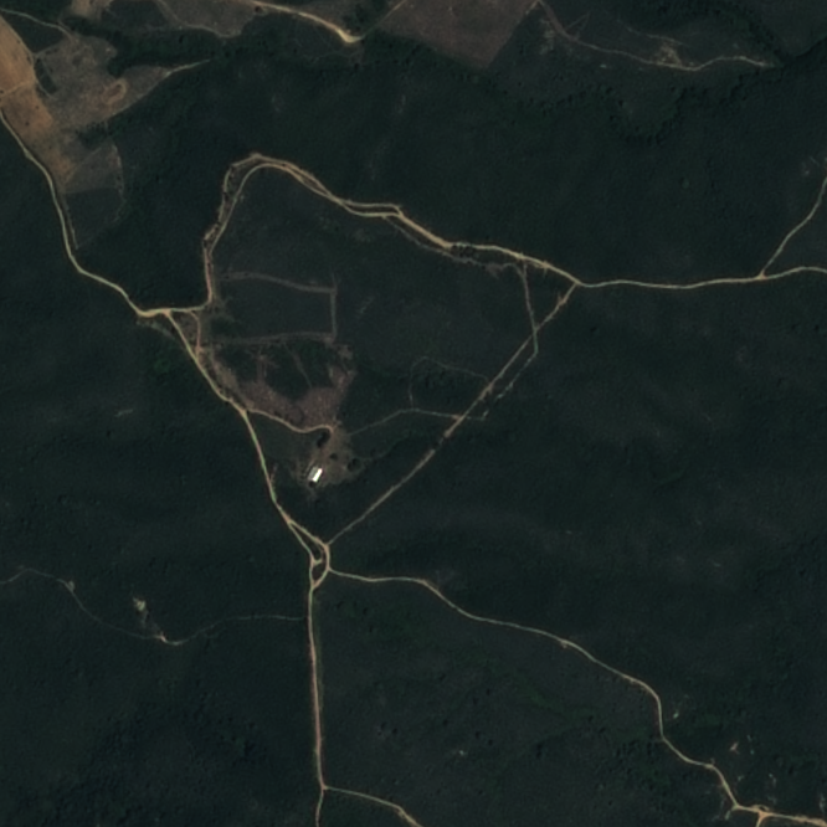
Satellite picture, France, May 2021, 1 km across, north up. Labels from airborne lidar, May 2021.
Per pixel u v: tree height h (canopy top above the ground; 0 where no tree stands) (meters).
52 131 0
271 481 0
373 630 10
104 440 8
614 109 12
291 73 6
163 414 5
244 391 0
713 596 5
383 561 7
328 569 0
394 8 0
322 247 0
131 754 7
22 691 6
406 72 7
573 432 6
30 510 7
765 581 8
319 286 0
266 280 0
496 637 0
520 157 6
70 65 0
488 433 6
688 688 5
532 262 0
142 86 0
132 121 8
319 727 0
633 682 0
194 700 6
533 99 8
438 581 0
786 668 7
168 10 0
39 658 7
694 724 8
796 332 11
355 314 0
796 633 6
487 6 0
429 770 6
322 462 0
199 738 7
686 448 6
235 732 8
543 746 12
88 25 6
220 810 7
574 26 0
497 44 0
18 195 0
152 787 9
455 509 0
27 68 0
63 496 7
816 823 0
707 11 11
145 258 6
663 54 0
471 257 6
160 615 6
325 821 6
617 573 6
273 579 5
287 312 0
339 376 0
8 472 6
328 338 0
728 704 8
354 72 7
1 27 0
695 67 0
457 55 0
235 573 5
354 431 0
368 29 0
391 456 6
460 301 0
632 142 14
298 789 7
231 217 0
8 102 0
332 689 0
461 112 6
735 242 6
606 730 11
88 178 0
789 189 0
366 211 0
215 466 6
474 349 0
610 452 7
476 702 11
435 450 6
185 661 7
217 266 0
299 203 0
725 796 0
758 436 5
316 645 0
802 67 10
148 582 6
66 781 8
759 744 7
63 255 0
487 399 6
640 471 6
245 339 0
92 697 6
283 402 0
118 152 0
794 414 6
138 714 14
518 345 0
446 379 7
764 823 0
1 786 9
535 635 0
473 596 6
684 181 13
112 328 0
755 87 10
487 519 0
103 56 0
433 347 0
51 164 0
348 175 5
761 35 11
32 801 12
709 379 6
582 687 0
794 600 6
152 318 0
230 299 0
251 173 0
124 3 0
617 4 6
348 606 8
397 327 0
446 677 8
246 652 6
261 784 6
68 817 7
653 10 8
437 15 0
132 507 5
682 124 8
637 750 8
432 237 0
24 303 7
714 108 12
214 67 7
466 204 0
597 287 0
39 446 6
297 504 5
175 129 10
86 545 6
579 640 0
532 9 0
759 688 7
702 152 6
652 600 5
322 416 0
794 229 0
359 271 0
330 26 0
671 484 6
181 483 6
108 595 7
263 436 0
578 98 13
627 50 0
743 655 0
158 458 6
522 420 6
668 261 0
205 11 0
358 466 11
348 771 6
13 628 6
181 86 10
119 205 0
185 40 13
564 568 7
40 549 6
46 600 6
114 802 8
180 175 6
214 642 7
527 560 6
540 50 0
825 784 9
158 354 6
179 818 8
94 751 10
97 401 0
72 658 6
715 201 9
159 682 9
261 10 6
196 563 6
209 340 0
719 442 6
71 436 8
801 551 7
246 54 9
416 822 0
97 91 0
